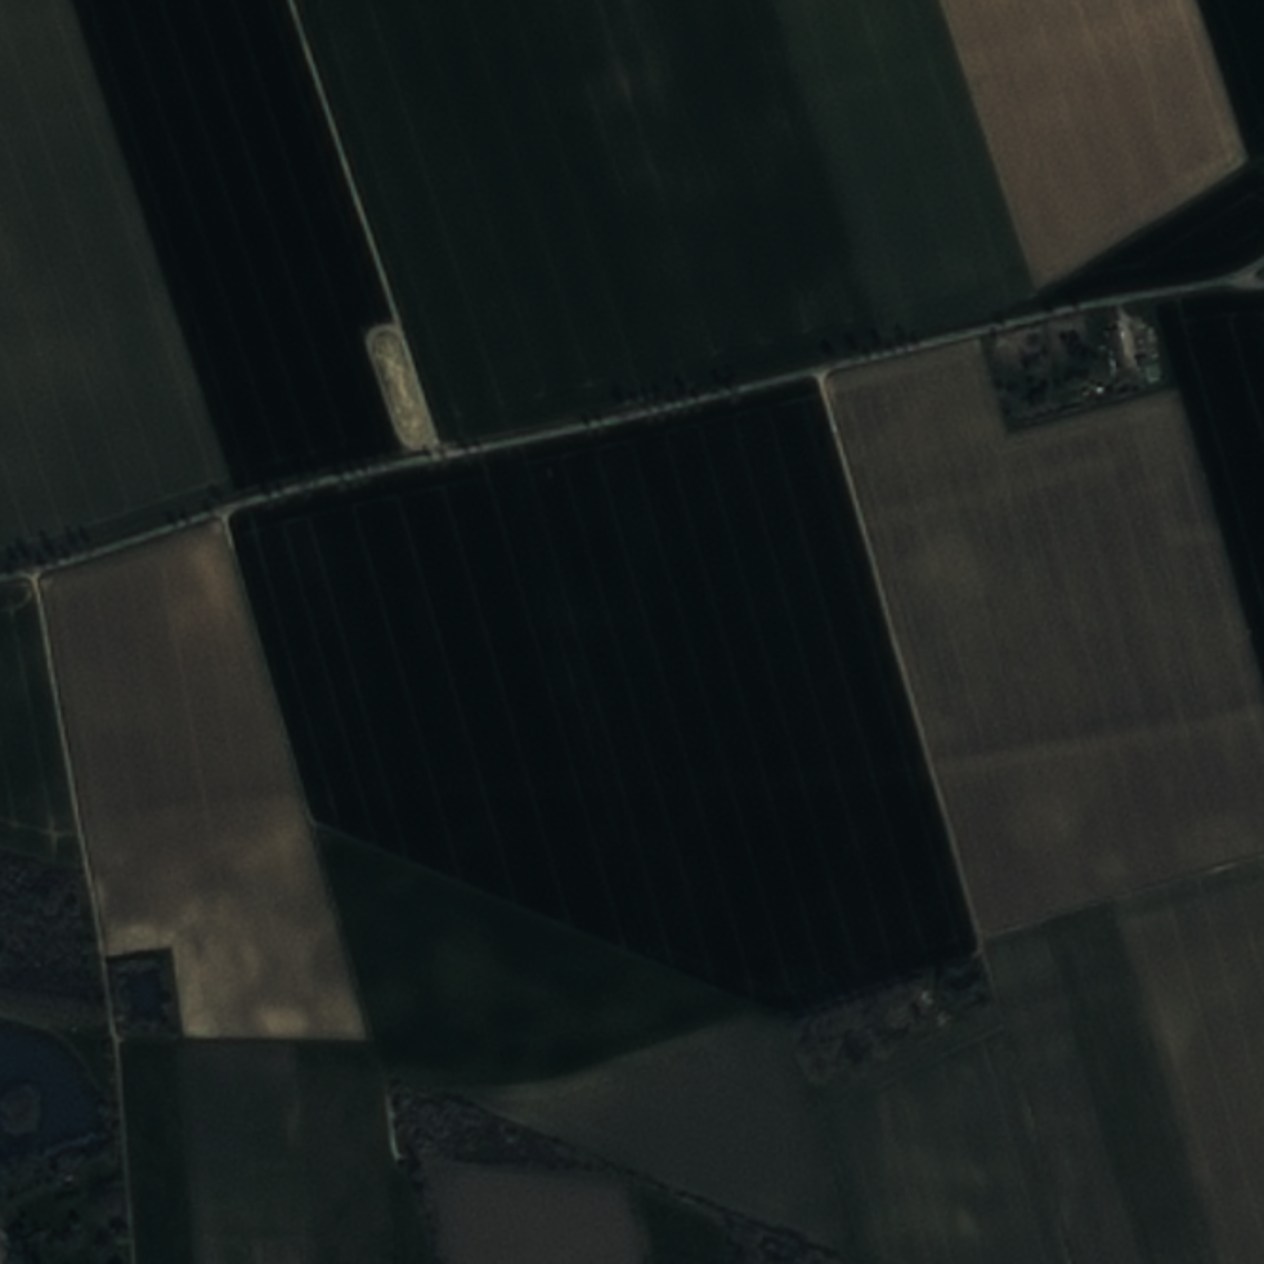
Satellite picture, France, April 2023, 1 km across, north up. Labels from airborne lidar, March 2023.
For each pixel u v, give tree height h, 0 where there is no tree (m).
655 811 0
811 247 0
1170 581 0
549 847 0
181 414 0
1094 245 0
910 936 0
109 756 0
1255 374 0
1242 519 0
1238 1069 0
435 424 0
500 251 0
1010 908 0
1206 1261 0
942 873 0
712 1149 0
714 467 0
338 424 0
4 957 15
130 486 0
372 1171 0
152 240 0
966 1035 0
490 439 0
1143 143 0
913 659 0
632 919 0
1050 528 0
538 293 0
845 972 0
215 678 0
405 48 0
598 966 0
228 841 0
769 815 0
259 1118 0
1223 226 0
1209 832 0
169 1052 0
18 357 0
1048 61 0
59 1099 0
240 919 0
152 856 0
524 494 0
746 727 0
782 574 0
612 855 0
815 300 0
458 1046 0
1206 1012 0
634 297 0
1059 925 0
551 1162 0
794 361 0
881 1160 0
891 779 0
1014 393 9
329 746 0
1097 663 0
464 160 0
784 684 0
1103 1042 0
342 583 0
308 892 0
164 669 0
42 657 0
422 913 0
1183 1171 0
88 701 0
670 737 0
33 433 0
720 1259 0
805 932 0
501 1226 0
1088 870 0
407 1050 0
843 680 0
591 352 0
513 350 0
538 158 0
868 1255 0
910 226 0
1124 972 0
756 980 0
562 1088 0
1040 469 0
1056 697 0
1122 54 0
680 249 0
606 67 0
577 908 0
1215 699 0
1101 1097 0
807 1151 0
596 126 0
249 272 0
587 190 0
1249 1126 0
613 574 0
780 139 0
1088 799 0
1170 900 0
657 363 0
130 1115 0
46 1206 0
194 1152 0
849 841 0
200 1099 0
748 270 0
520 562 0
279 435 0
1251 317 0
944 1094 0
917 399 0
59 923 12
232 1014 0
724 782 0
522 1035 0
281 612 0
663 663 0
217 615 0
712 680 0
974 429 0
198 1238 0
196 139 0
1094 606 0
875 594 0
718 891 0
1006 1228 0
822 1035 31
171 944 0
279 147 0
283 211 0
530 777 0
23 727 0
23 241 0
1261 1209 0
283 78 0
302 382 0
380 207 0
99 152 0
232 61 0
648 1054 0
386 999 0
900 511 0
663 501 0
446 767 0
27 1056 0
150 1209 0
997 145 0
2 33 0
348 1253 0
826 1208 0
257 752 0
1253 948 0
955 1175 0
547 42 0
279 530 0
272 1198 0
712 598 0
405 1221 0
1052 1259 0
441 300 0
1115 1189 0
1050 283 0
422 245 0
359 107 0
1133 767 0
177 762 0
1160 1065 0
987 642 0
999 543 0
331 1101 0
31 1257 30
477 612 0
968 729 0
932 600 0
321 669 0
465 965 0
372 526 0
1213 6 0
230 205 0
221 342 0
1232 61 0
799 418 0
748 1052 0
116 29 0
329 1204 0
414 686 0
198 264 0
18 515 0
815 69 0
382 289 0
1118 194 0
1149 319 0
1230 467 0
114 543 0
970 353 0
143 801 0
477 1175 0
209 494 0
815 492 0
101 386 0
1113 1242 0
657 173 0
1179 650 0
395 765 0
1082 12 0
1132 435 0
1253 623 0
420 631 0
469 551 0
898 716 0
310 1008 0
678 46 0
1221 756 0
